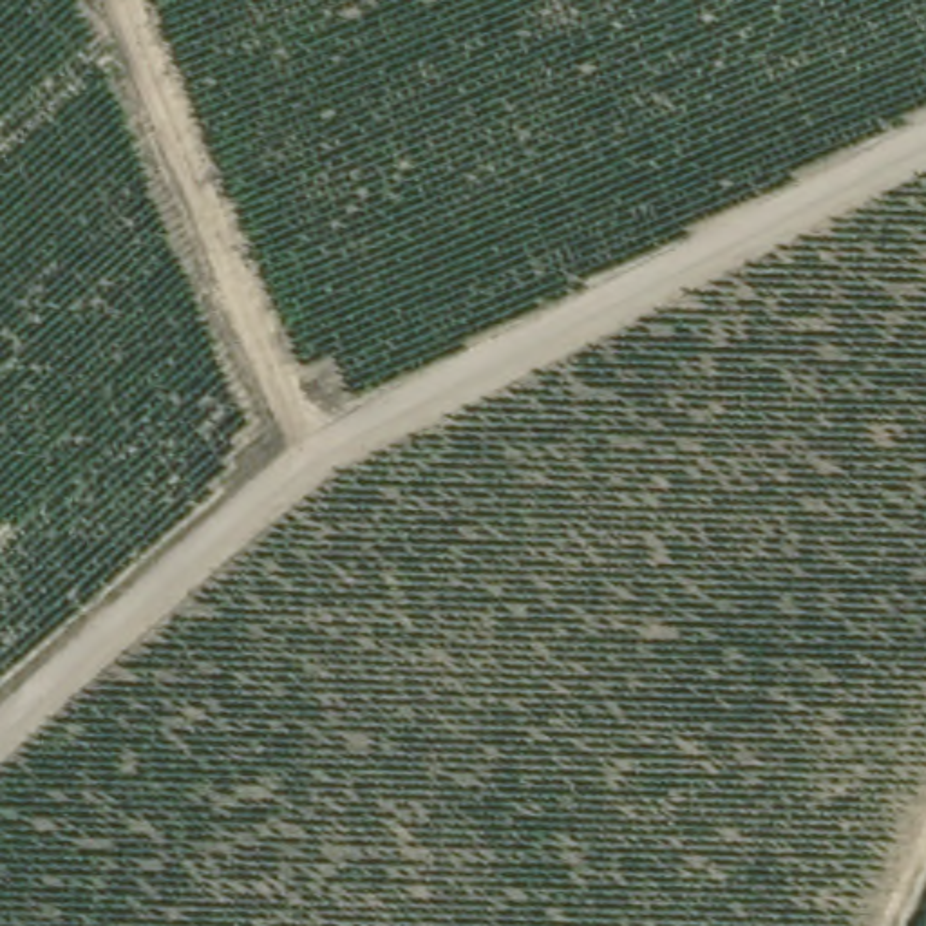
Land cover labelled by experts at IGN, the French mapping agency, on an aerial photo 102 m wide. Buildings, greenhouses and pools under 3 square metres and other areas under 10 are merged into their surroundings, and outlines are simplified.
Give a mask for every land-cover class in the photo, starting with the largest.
<instances>
[{"label":"vineyard","instance_id":"1","mask_svg":"<svg viewBox=\"0 0 926 926\"><path fill-rule=\"evenodd\" d=\"M94 29L80 18L72 0H0V673L25 658L69 615L90 604L112 575H119L130 564V553L148 550L199 499H206L210 481L224 467L232 438L242 430V409L217 365L192 282L166 242V224L159 221V210L148 195L134 137L127 130V116L105 83V72L76 54L87 47ZM148 7L159 18V36L181 72V87L199 127V137L210 152V163L217 166L221 195L235 206L239 232L250 242L246 260H253L271 300V311L279 315V326L286 329L289 351L300 365L333 358L351 394L376 391L441 358H452L474 336L517 322L532 311H543L572 293H582L586 279L687 239L698 221H709L749 199L789 188L799 170L832 159L836 152H846L868 137L897 130L912 112L926 109V0H148ZM919 785H926V170L883 192L868 206L846 217H832V228L825 235H799L796 242H778L760 260H745L742 268L713 279L705 289H680L669 307L640 315L622 333L604 336L553 362L550 369H535L524 383L463 405L449 416L445 427L409 434L387 449H376L369 459L354 467H340L326 485H318L311 496L289 506V514H282L268 532H260L250 543V550H239L217 575L206 579V586L188 593L181 608L166 619V626L156 633V640H145L130 647L123 658L109 662L90 687L69 698L65 709L47 720V727H40L7 763H0V926H872L890 893L883 861L897 817L908 814L912 803H919L915 792Z\"/></svg>","mask_w":926,"mask_h":926},{"label":"pervious surface","instance_id":"2","mask_svg":"<svg viewBox=\"0 0 926 926\"><path fill-rule=\"evenodd\" d=\"M127 54L134 61L141 101L188 195L184 232L203 239L206 260L217 279L213 304L232 315V326L260 380V391L282 423L286 452L268 470H260L213 521H206L195 535L170 550L127 597H119L112 608H101L72 637L69 647H61L14 698L0 705V763H7L40 727H47V720L65 709L69 698L90 687L109 662L123 658L130 647L145 640H156V633L166 626V619L181 608L188 593L206 586V579L217 575L239 550H250V543L260 532H268L282 514H289V506L311 496L318 485H326L340 467H354L369 459L376 449H387L409 434L445 427L449 416L463 405L524 383L535 369H550L553 362L604 336L622 333L640 315L669 307L680 289H705L713 279L742 268L745 260H760L778 242H796L799 235H825L832 228V217H846L868 206L883 192L926 170V109L912 112L897 130L868 137L846 152H836L832 159L799 170L789 188L749 199L709 221H698L687 239L586 279L582 293H572L543 311H532L517 322L474 336L452 358H441L376 391L351 394L340 409L322 412L300 387V365L289 351L286 329L279 326V315L271 311V300L253 260H246L250 242L239 232L235 206L221 195L217 166L210 163V152L199 137V127L181 87V72L159 36V18L148 7V0H109ZM919 803H912L908 814L897 817L883 861L890 893L872 926H926V785H919L915 792Z\"/></svg>","mask_w":926,"mask_h":926},{"label":"herbaceous vegetation","instance_id":"3","mask_svg":"<svg viewBox=\"0 0 926 926\"><path fill-rule=\"evenodd\" d=\"M80 18L94 29L87 47L76 54L105 72V83L127 116V130L134 137L148 195L159 210V221L166 224V242L192 282L217 365L242 409V430L232 438L224 467L210 481L206 499H199L148 550L130 553V564L119 575H112L90 604L69 615L25 658L0 673V705L14 698L61 647H69L72 637L101 608H112L119 597H127L170 550L195 535L206 521H213L260 470H268L286 452L282 423L260 391V380L232 326V315L213 304L217 279L206 260L203 239L184 232L188 195L141 101L134 61L127 54L109 0H72ZM300 387L322 412L340 409L351 394L333 358L300 365Z\"/></svg>","mask_w":926,"mask_h":926}]
</instances>
